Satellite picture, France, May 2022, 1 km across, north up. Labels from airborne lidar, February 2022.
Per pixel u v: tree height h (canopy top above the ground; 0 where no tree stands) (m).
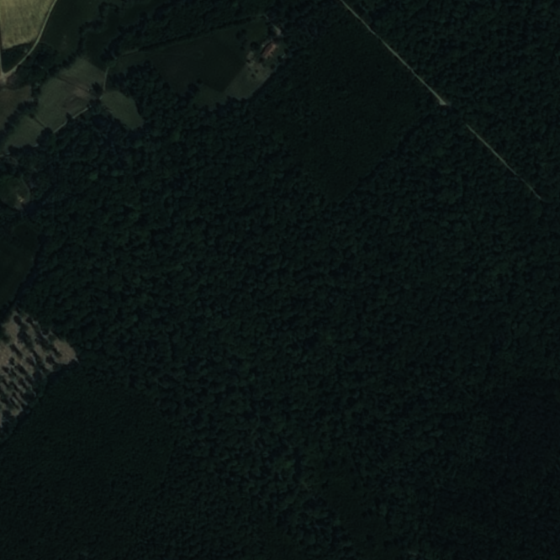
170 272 30
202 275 32
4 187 0
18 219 23
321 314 29
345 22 22
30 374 0
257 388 38
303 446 37
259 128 28
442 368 32
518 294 29
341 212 28
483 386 24
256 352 34
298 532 33
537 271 28
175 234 34
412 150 18
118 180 31
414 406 31
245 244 29
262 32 0
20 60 0
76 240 30
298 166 23
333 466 25
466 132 20
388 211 27
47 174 28
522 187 26
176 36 10
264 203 23
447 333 32
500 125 25
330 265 29
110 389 21
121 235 32
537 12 33
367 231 29
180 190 29
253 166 26
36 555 21
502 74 30
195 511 18
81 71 0
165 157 31
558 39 29
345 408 33
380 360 29
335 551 28
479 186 28
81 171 20
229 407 36
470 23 29
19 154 18
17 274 0
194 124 23
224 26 14
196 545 27
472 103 29
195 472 26
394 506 27
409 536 26
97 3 0
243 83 0
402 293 31
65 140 10
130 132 7
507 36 22
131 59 0
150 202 34
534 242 27
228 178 29
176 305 31
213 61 0
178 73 0
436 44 13
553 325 28
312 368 33
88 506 23
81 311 33
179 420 27
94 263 33
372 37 14
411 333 30
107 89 0
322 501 18
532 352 29
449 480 16
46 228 28
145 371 26
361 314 29
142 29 18
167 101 21
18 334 0
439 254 29
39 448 20
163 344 33
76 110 0
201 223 26
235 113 24
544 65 29
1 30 0
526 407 28
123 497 21
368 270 30
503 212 25
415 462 27
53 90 0
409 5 29
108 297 32
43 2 0
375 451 28
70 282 31
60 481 25
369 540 29
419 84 13
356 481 14
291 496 33
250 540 26
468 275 25
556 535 30
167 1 0
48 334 27
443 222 30
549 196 22
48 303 30
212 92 0
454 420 29
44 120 0
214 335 31
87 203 29
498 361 28
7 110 0
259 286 32
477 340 30
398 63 15
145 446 20
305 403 30
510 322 29
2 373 0
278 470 34
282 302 27
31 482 21
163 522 21
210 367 28
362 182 28
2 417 0
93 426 22
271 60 0
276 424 39
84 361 26
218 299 32
